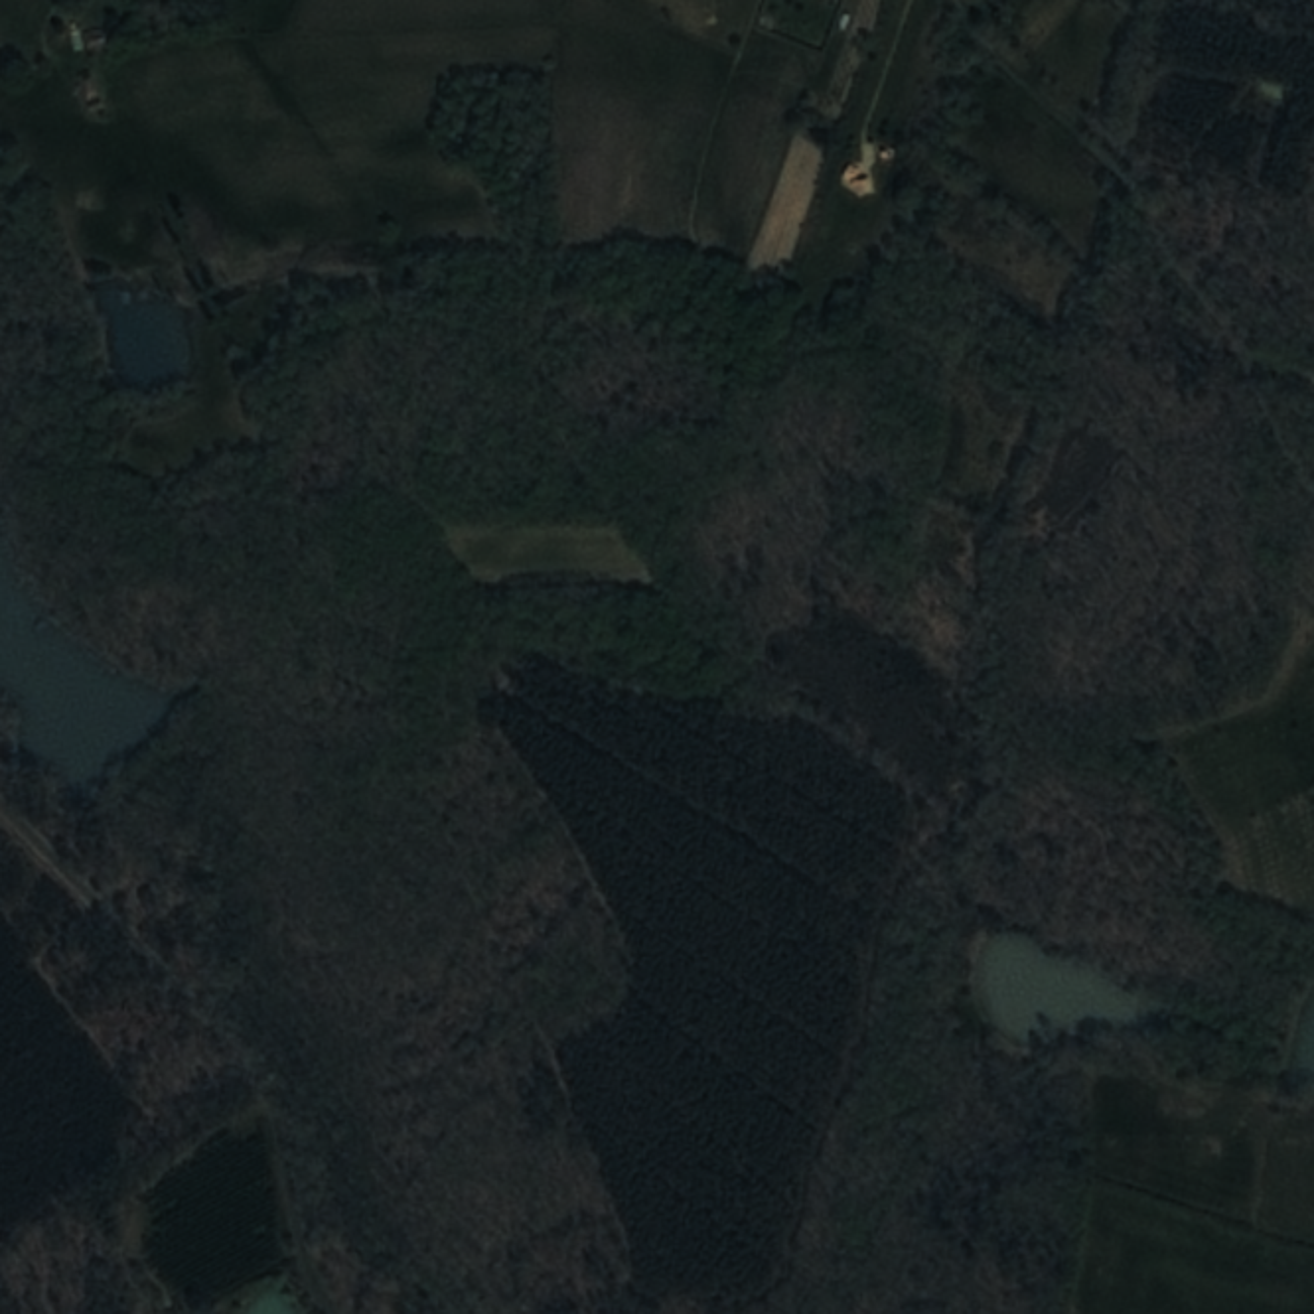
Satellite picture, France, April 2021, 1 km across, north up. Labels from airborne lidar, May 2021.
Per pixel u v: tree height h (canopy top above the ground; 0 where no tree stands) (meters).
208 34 14
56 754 0
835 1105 18
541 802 7
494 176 16
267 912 15
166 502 8
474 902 14
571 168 0
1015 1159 18
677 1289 19
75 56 0
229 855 17
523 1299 13
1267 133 7
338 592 14
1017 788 22
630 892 17
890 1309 15
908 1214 19
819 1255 15
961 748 20
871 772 18
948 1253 10
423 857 17
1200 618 12
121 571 12
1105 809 11
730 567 14
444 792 10
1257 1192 0
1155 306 6
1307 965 15
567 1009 12
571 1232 11
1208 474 16
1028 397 14
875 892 21
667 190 0
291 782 13
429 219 0
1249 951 17
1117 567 12
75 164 0
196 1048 14
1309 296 11
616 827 18
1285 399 18
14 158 18
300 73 0
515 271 17
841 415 14
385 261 0
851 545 21
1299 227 17
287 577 13
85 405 24
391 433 14
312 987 13
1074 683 11
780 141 0
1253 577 10
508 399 16
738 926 18
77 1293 14
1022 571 16
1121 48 16
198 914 22
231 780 16
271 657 16
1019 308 8
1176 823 6
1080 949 13
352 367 15
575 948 16
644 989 17
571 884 11
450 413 15
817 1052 19
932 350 15
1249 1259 0
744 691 23
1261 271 8
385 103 0
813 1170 12
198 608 11
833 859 18
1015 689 20
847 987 18
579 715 19
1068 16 0
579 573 0
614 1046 18
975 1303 12
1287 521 13
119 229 0
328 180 0
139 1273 18
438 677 15
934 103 8
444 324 12
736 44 11
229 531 14
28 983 11
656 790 17
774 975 19
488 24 0
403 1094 11
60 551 15
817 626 10
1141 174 20
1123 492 12
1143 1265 0
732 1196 17
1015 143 0
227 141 0
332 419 10
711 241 0
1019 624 21
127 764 12
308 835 17
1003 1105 16
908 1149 22
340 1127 23
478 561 0
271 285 0
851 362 26
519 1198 15
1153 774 15
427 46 0
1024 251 6
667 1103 16
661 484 16
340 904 16
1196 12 22
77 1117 10
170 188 0
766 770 17
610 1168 18
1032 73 0
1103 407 15
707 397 7
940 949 21
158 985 25
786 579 15
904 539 19
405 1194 9
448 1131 13
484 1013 8
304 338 18
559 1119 14
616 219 0
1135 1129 0
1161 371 8
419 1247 17
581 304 13
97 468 18
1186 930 13
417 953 15
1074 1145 20
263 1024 20
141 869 13
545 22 0
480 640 14
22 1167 10
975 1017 0
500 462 20
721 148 0
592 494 15
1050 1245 12
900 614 16
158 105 0
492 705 18
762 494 14
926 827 12
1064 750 20
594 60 0
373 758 16
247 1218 7
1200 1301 0
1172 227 16
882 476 16
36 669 0
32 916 6
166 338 0
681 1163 19
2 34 0
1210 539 12
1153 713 17
